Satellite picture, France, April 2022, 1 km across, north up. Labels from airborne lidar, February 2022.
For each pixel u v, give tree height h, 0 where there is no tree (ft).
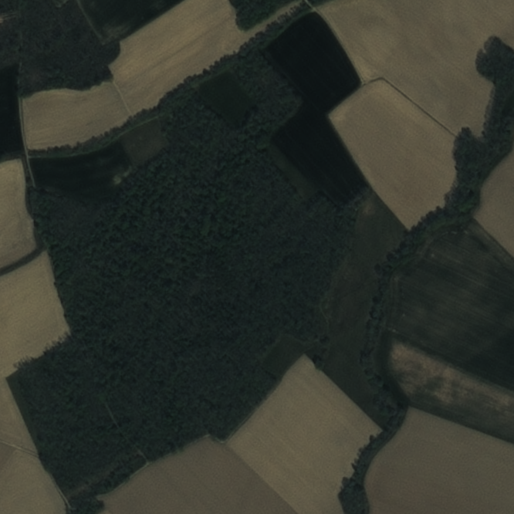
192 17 0
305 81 0
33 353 0
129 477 48
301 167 0
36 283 0
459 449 0
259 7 50
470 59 0
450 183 0
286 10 0
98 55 37
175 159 59
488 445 0
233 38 0
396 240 0
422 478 0
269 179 75
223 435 72
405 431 0
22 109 0
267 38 50
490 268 0
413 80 0
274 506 0
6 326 0
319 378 0
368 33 0
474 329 0
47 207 61
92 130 0
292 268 75
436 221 71
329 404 0
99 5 0
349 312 0
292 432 0
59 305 0
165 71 0
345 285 0
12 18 34
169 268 61
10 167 0
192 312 75
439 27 0
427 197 0
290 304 90
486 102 0
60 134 0
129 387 0
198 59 0
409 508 0
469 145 77
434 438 0
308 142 0
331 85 0
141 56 0
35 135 0
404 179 0
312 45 0
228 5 0
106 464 58
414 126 0
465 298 0
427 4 0
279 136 0
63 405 68
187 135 54
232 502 0
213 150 66
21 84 35
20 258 0
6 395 0
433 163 0
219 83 0
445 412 0
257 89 64
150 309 64
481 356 0
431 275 0
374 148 0
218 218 49
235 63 43
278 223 73
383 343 0
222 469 0
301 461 0
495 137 64
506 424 0
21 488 0
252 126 75
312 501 0
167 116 35
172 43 0
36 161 0
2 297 0
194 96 50
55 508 0
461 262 0
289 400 0
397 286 0
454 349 0
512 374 0
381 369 0
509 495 0
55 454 64
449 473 0
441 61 0
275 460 0
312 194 0
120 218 59
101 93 0
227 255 55
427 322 0
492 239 0
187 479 0
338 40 0
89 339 47
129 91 0
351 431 0
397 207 0
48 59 47
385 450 0
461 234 0
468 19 0
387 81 0
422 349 0
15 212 0
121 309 75
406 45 0
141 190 68
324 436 0
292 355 0
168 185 64
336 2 0
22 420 0
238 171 82
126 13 0
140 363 71
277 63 0
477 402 0
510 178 0
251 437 0
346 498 67
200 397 79
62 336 0
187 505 0
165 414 60
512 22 0
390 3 0
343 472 0
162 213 66
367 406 0
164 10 0
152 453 61
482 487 0
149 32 0
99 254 70
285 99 73
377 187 0
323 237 85
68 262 48
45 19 41
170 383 71
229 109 0
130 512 0
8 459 0
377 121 0
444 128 0
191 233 60
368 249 0
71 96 0
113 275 47
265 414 0
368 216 0
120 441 52
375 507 0
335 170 0
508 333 0
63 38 66
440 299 0
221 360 83
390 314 0
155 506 0
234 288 50
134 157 0
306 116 0
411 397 0
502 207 0
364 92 0
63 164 0
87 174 0
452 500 0
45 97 0
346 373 0
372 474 0
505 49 64
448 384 0
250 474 0
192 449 0
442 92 0
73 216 62
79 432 54
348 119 0
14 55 38
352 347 0
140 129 0
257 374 77
